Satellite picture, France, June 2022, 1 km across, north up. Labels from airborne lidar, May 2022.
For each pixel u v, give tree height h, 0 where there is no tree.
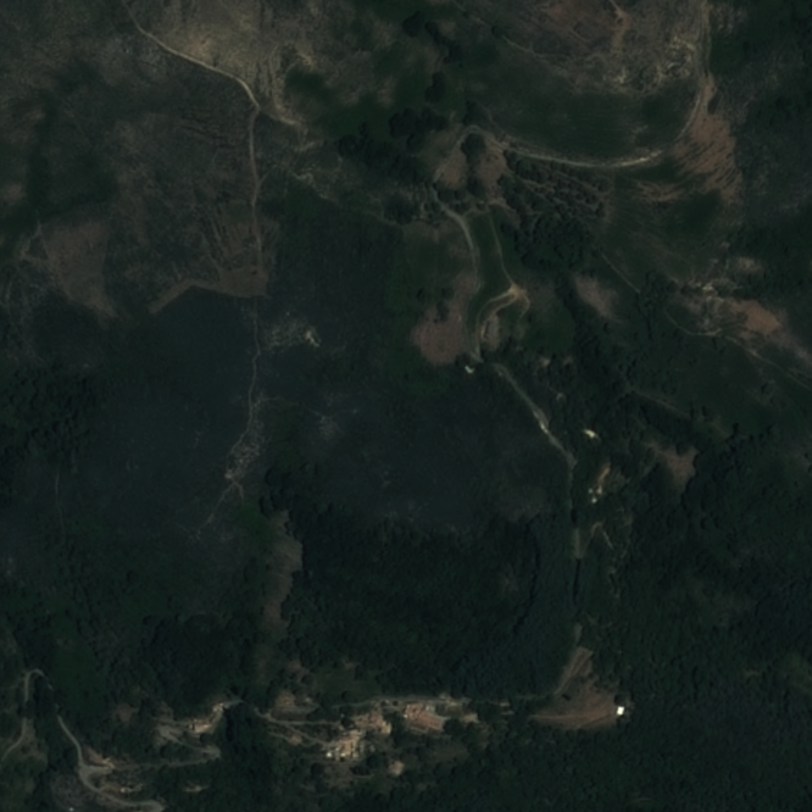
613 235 0
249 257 0
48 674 12
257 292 0
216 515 0
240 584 8
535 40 0
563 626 23
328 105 0
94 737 12
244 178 0
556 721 0
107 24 0
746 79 0
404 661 18
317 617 11
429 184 10
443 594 19
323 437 0
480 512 7
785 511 13
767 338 0
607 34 0
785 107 6
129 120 0
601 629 14
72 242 0
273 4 0
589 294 0
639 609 12
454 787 17
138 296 0
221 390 0
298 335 0
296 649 11
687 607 24
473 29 0
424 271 0
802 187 0
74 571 10
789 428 0
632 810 12
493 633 21
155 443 0
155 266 0
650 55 0
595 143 0
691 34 0
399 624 16
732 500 12
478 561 15
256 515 0
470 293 0
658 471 20
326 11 0
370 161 12
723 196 0
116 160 0
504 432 0
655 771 18
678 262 0
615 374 11
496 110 0
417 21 21
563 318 0
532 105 0
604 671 11
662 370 9
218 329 0
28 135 0
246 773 16
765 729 21
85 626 11
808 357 0
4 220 0
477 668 27
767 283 13
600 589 18
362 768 8
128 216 0
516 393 7
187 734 9
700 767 16
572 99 0
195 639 20
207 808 9
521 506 0
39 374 6
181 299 0
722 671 17
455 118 0
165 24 0
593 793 18
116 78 0
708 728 13
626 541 12
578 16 0
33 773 10
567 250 12
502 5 0
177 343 0
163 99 0
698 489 23
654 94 0
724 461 11
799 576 15
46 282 0
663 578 19
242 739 17
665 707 9
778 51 0
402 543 16
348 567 21
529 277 0
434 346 0
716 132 0
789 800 19
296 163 0
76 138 0
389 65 0
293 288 0
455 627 14
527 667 21
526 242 18
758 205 0
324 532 17
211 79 0
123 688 9
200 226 0
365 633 16
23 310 0
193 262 0
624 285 0
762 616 16
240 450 0
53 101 0
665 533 21
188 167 0
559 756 9
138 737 9
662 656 13
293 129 0
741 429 19
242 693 36
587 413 19
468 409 0
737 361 0
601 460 12
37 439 19
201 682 19
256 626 7
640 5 0
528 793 18
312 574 20
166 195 0
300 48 0
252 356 0
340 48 0
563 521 26
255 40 0
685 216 0
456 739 12
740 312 0
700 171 0
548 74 0
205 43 0
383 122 0
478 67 0
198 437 0
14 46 0
